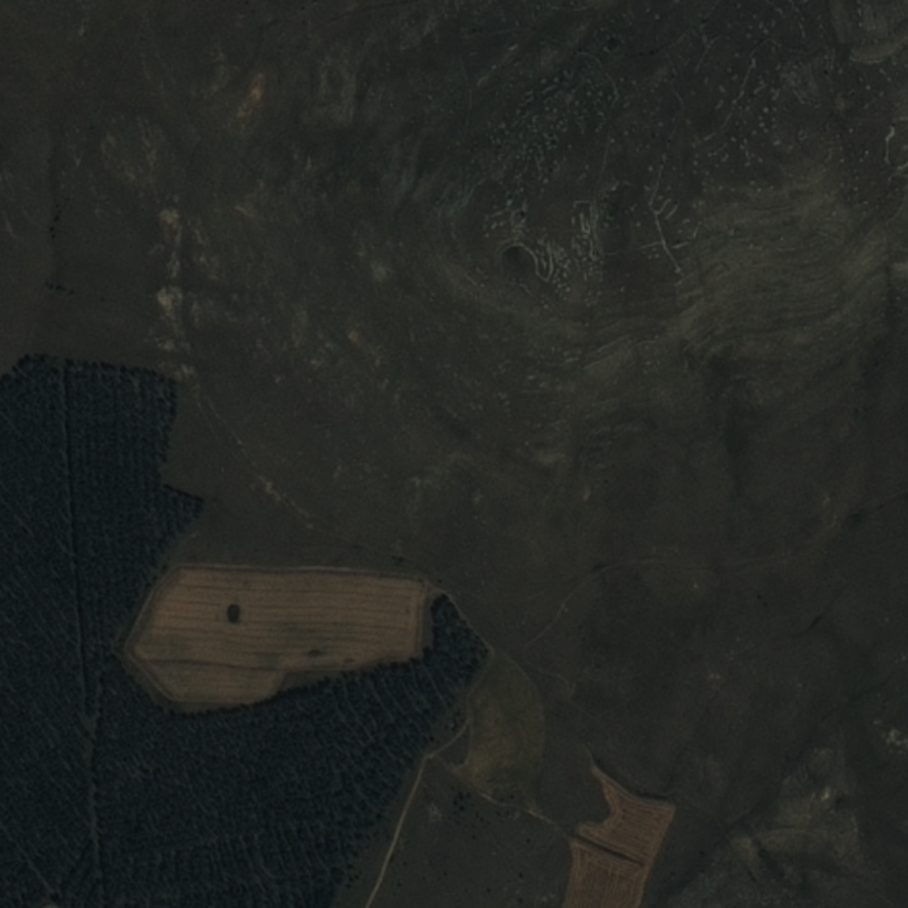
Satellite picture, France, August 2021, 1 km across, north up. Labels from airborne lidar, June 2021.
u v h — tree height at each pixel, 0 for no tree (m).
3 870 14
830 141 0
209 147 0
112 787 13
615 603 0
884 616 0
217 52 0
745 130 0
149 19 0
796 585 0
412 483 0
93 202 0
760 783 0
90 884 14
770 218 0
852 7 0
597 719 0
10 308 0
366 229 0
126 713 13
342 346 0
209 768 12
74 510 13
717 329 0
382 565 0
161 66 0
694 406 0
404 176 0
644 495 0
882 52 0
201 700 0
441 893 0
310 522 0
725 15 0
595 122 0
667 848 0
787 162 0
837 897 0
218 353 0
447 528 0
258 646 0
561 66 0
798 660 0
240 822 13
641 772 0
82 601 15
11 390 13
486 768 0
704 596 0
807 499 0
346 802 13
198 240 0
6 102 0
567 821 0
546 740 0
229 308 0
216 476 0
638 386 0
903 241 0
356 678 13
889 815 0
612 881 0
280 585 0
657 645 0
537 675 0
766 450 0
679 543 0
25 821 14
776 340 0
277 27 0
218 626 0
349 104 0
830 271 0
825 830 0
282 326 0
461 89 0
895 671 0
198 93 0
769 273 0
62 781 15
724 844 0
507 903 0
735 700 0
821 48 0
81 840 13
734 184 0
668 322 0
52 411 14
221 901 13
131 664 0
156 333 0
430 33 0
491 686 0
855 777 0
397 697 13
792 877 0
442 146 0
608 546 0
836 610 0
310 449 0
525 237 0
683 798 0
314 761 15
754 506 0
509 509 0
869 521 0
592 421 0
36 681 15
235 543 0
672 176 0
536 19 0
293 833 15
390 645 0
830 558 0
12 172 0
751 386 0
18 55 0
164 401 10
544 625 0
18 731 14
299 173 0
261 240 0
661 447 0
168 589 0
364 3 0
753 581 0
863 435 0
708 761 0
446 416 0
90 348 0
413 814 0
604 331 0
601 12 0
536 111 0
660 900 0
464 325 0
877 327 0
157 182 0
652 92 0
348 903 0
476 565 0
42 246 0
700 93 0
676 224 0
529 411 0
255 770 13
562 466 0
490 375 0
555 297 0
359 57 0
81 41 0
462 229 0
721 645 0
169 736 12
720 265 0
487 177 0
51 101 0
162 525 12
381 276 0
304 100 0
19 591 13
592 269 0
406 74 0
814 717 0
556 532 0
